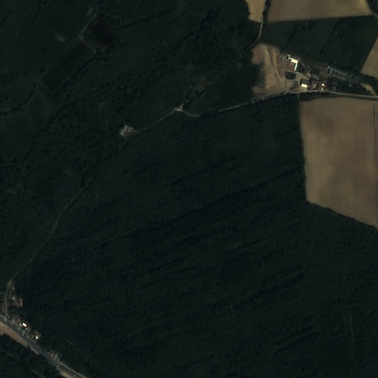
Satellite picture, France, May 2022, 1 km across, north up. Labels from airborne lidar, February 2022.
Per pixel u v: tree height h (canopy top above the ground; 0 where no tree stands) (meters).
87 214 18
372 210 0
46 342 17
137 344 0
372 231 15
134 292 19
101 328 23
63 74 0
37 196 13
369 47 0
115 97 7
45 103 0
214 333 19
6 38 0
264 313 22
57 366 0
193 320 18
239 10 6
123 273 19
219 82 0
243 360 22
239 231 26
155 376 18
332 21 0
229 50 13
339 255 14
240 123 0
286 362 19
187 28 0
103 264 26
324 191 0
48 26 0
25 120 0
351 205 0
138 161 21
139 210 0
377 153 0
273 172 24
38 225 20
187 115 10
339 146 0
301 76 0
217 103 0
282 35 0
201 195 22
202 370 23
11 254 19
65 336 9
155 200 0
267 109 23
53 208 16
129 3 18
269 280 18
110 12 17
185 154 0
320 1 0
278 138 21
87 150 9
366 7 0
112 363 15
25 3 0
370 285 11
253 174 9
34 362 30
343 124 0
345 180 0
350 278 6
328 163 0
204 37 27
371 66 0
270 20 0
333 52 0
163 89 20
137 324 0
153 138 19
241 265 29
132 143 20
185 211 20
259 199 27
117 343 23
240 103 0
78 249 22
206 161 0
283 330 23
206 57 29
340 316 8
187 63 0
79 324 18
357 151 0
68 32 0
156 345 22
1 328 0
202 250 21
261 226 24
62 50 0
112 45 0
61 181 15
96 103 19
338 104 0
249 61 0
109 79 8
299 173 22
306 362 18
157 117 18
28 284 17
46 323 14
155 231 27
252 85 0
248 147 0
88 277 0
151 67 13
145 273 21
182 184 22
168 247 0
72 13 0
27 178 17
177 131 13
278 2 0
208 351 0
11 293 0
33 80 0
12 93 0
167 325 22
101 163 24
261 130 0
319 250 20
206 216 31
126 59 8
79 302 21
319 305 15
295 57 0
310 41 0
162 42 11
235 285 14
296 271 25
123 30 6
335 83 0
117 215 0
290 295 20
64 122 17
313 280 23
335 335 13
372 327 9
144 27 11
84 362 14
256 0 0
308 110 0
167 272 0
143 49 7
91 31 0
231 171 20
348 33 9
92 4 0
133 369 13
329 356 12
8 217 9
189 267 0
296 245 23
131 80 14
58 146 22
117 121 0
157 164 22
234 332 0
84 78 8
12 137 0
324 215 18
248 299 0
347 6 0
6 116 10
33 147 12
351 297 16
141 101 21
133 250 20
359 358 9
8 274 16
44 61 0
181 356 0
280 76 0
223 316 20
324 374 18
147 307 21
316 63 0
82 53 0
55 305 0
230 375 20
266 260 21
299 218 20
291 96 17
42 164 13
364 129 0
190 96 8
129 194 14
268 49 0
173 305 23
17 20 0
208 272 24
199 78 0
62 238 12
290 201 20
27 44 0
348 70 8
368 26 0
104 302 19
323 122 0
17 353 29
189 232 25
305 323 22
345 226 13
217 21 18
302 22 0
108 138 26
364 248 16
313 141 0
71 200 8
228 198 31
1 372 15
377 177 0
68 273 20
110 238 21
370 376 16
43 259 0
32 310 8
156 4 20
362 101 0
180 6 0
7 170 17
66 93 10
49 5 0
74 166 25
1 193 8
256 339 21
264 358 0
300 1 0
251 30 0
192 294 21
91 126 21
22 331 0
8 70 0
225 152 0
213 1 0
